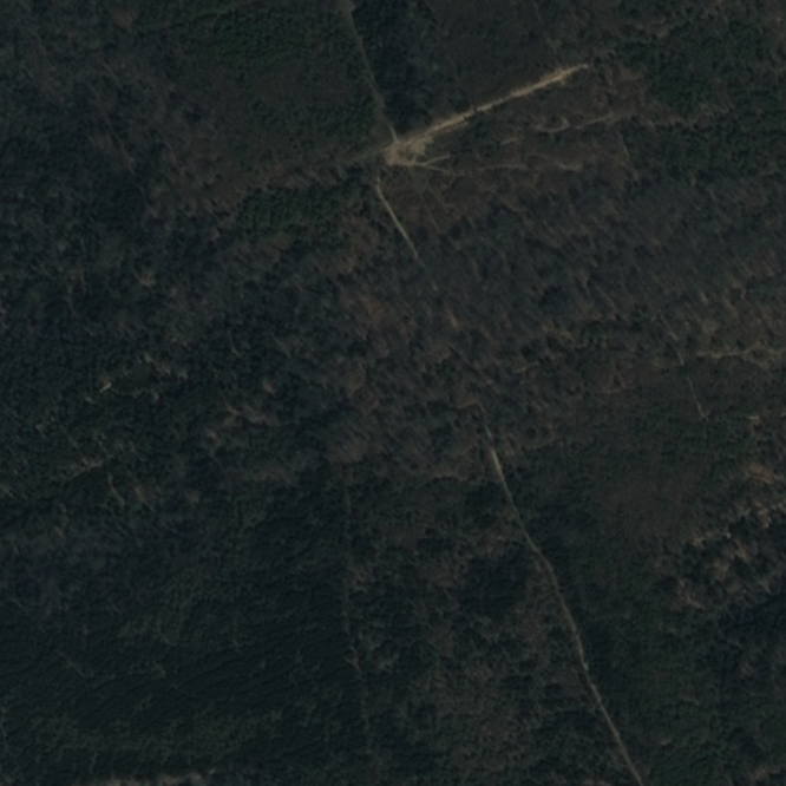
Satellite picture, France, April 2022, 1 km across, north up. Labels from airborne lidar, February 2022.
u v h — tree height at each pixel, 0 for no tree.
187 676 11
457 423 31
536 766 7
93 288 7
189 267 19
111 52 16
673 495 11
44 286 32
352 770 10
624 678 13
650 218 34
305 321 15
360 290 33
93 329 29
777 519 32
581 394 9
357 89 10
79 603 18
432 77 23
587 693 10
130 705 11
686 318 34
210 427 33
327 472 16
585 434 12
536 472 13
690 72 9
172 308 31
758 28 8
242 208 10
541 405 31
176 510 16
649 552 11
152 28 11
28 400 28
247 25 15
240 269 32
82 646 16
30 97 25
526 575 12
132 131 21
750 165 14
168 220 7
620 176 8
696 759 14
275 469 36
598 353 10
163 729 13
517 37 10
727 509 13
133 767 11
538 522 11
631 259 33
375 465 7
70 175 22
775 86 10
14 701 13
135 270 28
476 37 14
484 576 9
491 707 6
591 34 11
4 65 22
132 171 11
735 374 10
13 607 12
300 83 11
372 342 12
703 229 33
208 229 32
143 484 29
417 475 27
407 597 13
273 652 7
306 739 9
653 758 13
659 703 17
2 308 27
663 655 16
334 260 34
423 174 0
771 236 38
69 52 20
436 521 6
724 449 15
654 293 30
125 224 26
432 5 10
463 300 36
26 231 30
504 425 34
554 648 8
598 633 17
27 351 30
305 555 14
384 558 9
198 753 7
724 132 17
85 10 17
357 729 11
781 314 34
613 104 10
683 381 10
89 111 23
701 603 18
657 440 11
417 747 7
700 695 13
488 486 7
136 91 20
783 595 10
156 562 20
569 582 15
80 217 28
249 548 12
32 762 9
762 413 14
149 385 8
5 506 13
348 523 8
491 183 8
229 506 8
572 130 8
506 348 34
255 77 11
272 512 13
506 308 33
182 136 25
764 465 8
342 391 33
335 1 8
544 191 6
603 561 16
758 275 39
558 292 9
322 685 12
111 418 10
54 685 12
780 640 25
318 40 15
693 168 6
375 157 0
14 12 26
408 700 11
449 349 36
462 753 8
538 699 8
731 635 22
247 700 14
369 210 14
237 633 17
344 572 16
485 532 9
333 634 10
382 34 18
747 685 16
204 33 15
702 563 12
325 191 10
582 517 15
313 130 15
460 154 8
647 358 28
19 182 20
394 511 7
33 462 28
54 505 17
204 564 15
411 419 35
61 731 10
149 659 17
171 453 36
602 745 10
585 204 27
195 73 11
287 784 15
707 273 35
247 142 13
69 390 31
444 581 7
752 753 18
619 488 14
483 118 9
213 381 35
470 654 7
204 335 26
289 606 13
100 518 25
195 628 15
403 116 17
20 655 12
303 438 18
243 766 17
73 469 27
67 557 10
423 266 30
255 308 27
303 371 32
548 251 7
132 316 22
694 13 12
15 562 24
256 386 31
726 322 35
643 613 13
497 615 9
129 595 16
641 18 15
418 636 11
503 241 37
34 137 23
